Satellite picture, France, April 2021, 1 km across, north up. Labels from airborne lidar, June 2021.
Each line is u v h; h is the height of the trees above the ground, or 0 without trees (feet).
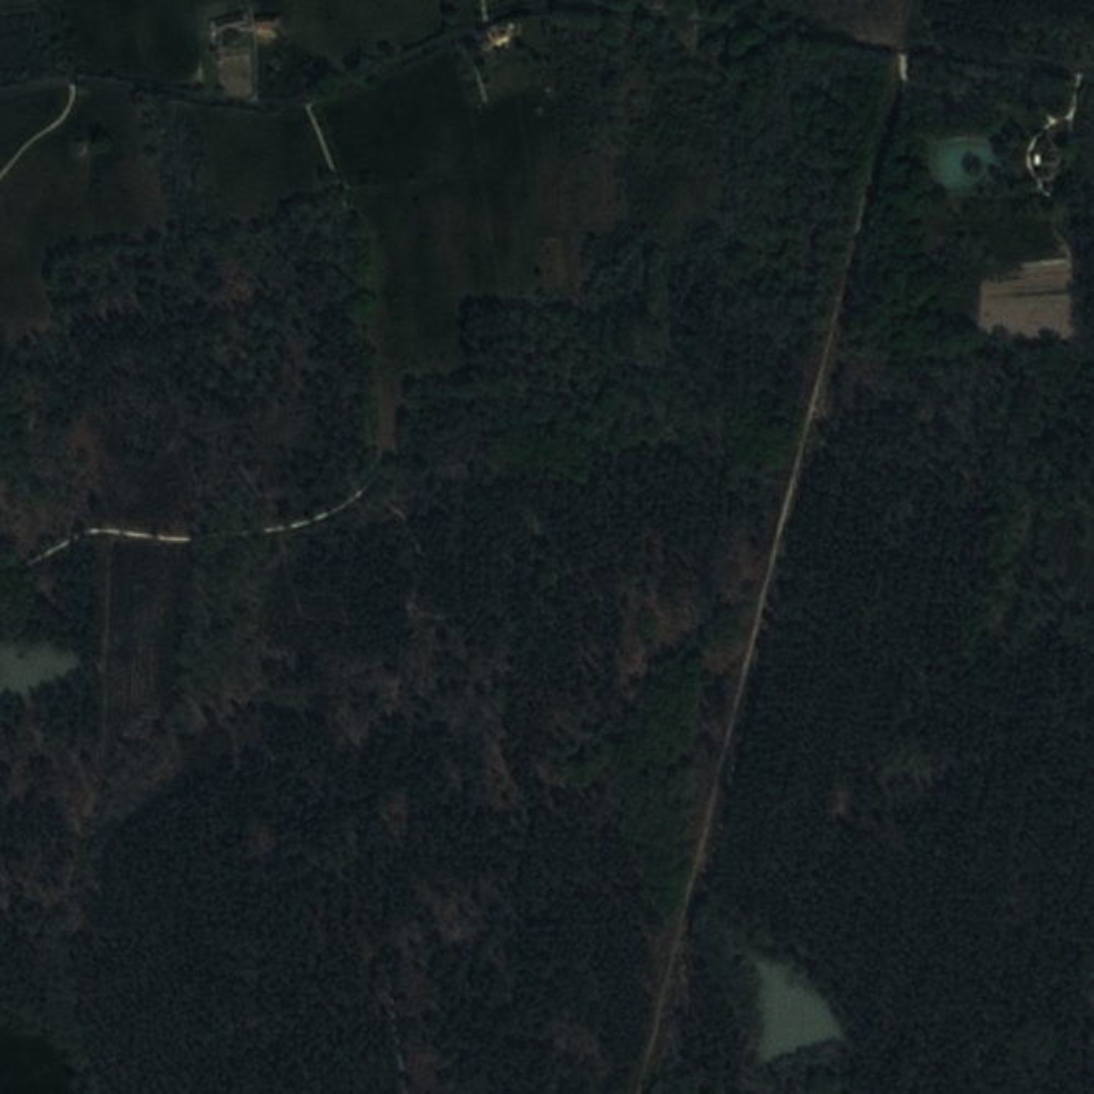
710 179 0
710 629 74
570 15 47
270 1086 58
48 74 26
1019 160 48
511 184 0
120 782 51
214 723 58
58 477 21
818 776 64
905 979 64
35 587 66
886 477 49
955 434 82
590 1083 58
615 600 65
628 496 65
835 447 64
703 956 51
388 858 61
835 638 47
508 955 35
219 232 25
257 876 56
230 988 65
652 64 35
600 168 0
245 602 41
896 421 60
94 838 20
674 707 88
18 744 70
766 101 44
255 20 0
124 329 55
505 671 47
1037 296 0
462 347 0
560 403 58
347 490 38
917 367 32
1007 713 54
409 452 54
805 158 55
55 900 41
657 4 0
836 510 53
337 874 42
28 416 48
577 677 65
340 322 74
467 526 24
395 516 20
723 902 75
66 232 0
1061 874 26
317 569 35
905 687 70
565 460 65
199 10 0
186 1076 55
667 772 60
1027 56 36
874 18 52
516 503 66
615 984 74
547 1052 44
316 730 58
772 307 70
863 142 66
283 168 0
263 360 62
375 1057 58
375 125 0
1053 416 39
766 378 73
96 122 0
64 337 49
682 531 58
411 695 33
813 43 67
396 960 68
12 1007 42
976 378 33
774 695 65
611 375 51
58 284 56
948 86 38
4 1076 0
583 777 56
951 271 28
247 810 52
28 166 0
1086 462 79
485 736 46
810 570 55
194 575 36
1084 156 22
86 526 31
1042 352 49
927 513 58
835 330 0
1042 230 0
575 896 71
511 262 0
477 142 0
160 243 53
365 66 52
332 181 40
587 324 64
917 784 38
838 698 55
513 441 73
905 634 58
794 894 64
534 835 17
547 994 59
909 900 56
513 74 0
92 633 65
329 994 66
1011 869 62
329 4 0
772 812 57
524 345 54
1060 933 64
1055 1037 54
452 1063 55
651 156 0
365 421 48
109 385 44
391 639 52
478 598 59
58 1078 0
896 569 71
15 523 51
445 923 35
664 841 87
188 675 69
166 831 59
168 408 41
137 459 46
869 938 69
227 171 0
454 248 0
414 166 0
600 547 49
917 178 67
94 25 0
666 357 64
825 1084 64
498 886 26
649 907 69
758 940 35
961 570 66
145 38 0
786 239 50
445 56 0
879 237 79
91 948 63
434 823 66
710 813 0
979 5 54
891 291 83
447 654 36
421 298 0
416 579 23
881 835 42
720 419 69
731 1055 79
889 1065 59
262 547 89
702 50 20
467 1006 49
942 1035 59
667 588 72
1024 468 55
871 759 72
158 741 53
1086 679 69
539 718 74
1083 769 61
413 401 68
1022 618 65
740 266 84
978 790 58
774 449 62
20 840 20
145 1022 62
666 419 37
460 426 65
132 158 0
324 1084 68
